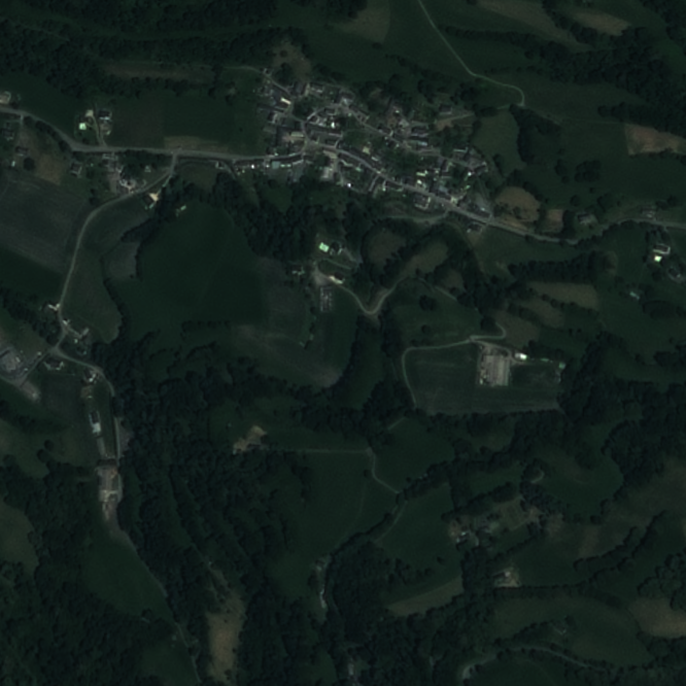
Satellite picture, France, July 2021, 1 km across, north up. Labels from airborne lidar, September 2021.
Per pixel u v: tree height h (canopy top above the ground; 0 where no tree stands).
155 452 27
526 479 11
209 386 21
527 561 0
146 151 10
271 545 12
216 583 11
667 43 0
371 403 10
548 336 0
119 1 6
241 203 27
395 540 0
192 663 0
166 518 12
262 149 0
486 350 0
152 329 0
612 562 12
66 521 28
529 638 17
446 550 0
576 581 0
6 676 26
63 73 29
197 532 16
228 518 13
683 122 9
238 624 0
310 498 12
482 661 0
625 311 0
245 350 0
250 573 24
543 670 0
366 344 10
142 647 22
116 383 20
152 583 0
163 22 11
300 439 0
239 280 0
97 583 0
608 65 23
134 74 0
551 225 0
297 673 23
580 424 25
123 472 14
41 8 9
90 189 0
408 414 17
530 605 0
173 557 28
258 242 23
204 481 19
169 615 0
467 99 23
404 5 0
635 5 0
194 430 10
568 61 26
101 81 15
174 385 22
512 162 0
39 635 9
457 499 17
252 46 13
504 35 8
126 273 0
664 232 15
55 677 32
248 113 0
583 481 0
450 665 11
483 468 21
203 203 11
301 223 22
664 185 0
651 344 0
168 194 21
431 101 14
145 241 12
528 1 0
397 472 0
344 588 19
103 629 16
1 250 0
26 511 6
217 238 0
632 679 23
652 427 27
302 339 0
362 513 0
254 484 11
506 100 0
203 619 13
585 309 8
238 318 0
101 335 0
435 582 0
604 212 7
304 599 10
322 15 0
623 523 0
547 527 23
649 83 22
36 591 9
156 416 29
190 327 13
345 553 22
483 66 0
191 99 0
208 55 13
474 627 19
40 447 0
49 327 10
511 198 0
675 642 13
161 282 0
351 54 0
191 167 0
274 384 24
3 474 16
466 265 25
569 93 0
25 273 0
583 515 8
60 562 30
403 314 0
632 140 0
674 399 22
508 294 13
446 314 0
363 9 18
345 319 0
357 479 0
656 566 0
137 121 0
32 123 7
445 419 26
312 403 20
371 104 8
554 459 0
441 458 0
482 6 0
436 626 18
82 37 13
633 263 0
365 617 24
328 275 0
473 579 22
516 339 0
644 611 0
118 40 12
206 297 0
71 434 0
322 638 8
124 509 20
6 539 0
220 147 0
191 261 0
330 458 0
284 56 14
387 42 0
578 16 0
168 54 7
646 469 28
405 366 0
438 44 0
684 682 22
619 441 19
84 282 0
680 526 0
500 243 0
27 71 24
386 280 21
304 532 0
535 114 13
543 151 0
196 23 20
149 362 7
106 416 0
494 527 0
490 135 0
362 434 16
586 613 0
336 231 7
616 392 18
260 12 25
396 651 25
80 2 17
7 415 25
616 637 0
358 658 18
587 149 0
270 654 12
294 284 14
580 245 14
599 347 12
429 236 11
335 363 0
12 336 0
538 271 27
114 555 0
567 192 0
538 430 16
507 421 21
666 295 0
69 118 0
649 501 0
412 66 6
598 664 15
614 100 0
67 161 0
